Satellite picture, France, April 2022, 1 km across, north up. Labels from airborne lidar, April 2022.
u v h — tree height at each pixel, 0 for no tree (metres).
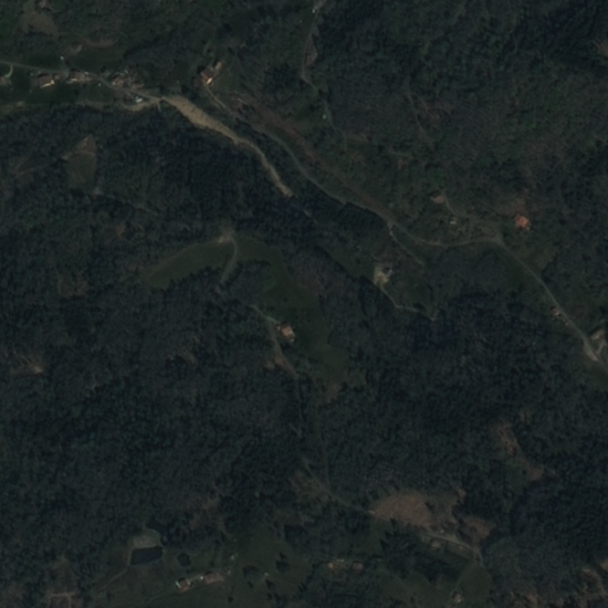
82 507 22
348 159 12
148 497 27
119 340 16
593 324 6
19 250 16
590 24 19
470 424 19
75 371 22
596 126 30
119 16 16
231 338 16
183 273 0
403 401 20
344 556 10
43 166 0
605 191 22
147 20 10
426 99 22
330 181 8
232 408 18
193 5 12
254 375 20
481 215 24
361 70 21
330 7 0
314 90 16
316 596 6
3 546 25
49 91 0
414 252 9
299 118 0
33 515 23
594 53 20
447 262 24
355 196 11
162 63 25
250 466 23
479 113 20
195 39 21
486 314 7
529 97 14
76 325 21
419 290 0
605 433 19
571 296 12
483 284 21
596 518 21
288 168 23
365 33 25
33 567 25
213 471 28
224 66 0
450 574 10
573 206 18
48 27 0
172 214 18
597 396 16
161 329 22
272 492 27
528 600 26
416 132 21
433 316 6
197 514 15
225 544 14
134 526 24
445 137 12
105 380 21
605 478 30
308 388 15
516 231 0
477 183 12
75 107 15
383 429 22
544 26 24
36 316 15
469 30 25
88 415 19
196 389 26
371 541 0
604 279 21
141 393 26
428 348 30
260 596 0
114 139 8
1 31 16
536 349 13
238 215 11
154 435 22
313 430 13
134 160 18
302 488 29
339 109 18
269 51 20
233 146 15
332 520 19
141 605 0
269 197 22
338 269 22
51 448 13
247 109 0
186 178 23
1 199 21
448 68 14
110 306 24
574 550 28
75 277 8
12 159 19
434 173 18
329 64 22
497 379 27
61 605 0
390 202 6
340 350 11
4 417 16
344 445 8
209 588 0
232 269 0
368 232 11
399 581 0
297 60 5
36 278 22
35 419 24
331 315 18
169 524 15
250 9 17
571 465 28
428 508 0
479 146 18
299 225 30
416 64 24
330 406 12
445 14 16
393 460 6
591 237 22
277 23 24
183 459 21
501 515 22
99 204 11
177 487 17
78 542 24
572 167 20
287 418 23
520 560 32
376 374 20
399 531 7
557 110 15
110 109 14
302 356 7
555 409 16
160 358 25
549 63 15
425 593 0
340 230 16
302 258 30
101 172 12
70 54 0
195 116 0
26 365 18
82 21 14
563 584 27
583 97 20
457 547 0
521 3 20
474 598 0
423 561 16
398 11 17
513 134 22
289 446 33
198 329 23
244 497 24
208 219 17
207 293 24
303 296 0
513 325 7
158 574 0
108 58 0
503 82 17
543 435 23
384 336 10
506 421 13
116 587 0
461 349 34
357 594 9
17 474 11
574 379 16
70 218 9
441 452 22
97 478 19
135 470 14
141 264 11
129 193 9
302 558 14
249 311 12
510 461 14
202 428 18
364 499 20
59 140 24
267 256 0
